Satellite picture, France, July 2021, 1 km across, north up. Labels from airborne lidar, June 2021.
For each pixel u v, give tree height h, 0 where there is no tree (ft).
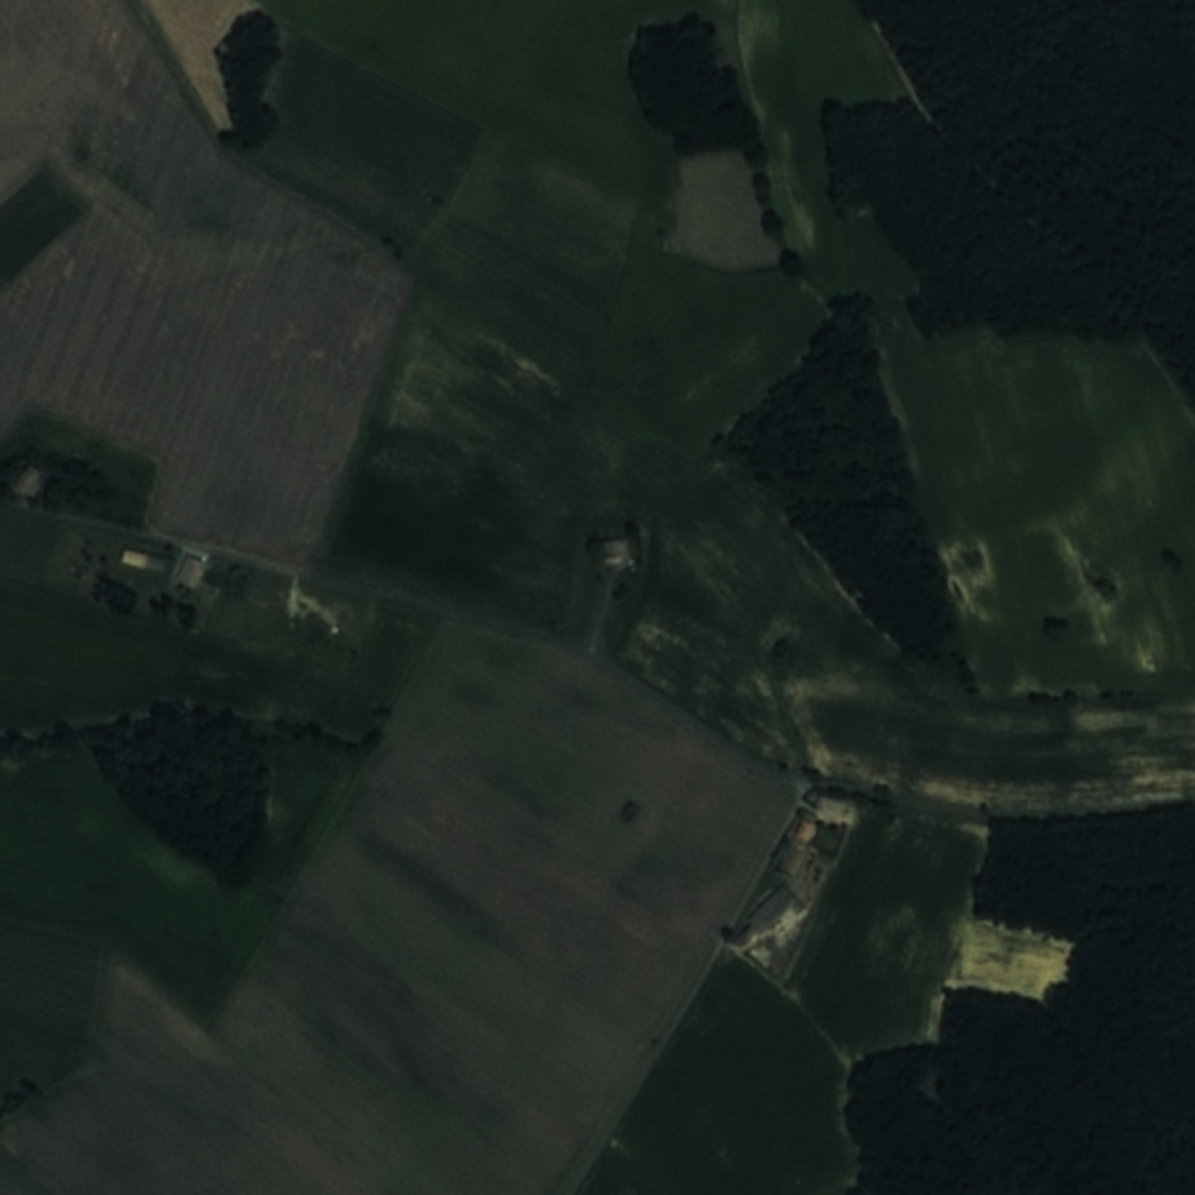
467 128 0
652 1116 0
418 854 0
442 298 0
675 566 0
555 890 0
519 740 0
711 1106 0
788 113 0
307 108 0
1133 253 37
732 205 0
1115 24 78
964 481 0
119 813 0
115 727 20
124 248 0
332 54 0
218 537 0
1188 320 55
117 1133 0
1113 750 0
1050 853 39
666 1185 0
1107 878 21
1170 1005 66
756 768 0
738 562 0
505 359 0
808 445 42
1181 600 0
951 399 0
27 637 0
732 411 0
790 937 0
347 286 0
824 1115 0
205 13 0
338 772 0
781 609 0
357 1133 0
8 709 0
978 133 53
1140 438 0
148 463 0
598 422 0
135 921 0
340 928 0
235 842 70
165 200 0
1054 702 20
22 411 0
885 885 0
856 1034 0
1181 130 43
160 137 0
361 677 0
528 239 0
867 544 71
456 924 0
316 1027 0
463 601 0
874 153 56
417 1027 0
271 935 0
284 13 0
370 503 0
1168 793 0
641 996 0
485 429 0
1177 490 0
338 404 0
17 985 0
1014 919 49
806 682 0
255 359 0
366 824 0
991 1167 53
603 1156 0
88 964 0
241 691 0
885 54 0
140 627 0
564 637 0
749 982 0
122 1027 0
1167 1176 75
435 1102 0
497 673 0
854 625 0
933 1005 0
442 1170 0
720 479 0
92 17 0
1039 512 0
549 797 0
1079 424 0
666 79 73
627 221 0
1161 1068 68
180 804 69
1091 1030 59
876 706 0
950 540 0
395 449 0
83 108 0
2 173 0
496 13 0
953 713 0
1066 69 49
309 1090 0
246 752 71
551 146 0
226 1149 0
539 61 0
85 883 0
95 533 0
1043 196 57
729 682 0
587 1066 0
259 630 0
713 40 72
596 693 0
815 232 0
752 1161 0
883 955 0
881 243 0
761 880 0
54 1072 0
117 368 0
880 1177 62
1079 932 54
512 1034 0
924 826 0
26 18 0
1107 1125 78
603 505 0
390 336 0
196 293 0
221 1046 0
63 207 0
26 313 0
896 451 61
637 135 0
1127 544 0
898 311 0
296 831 0
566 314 0
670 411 0
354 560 0
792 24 0
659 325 0
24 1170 0
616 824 0
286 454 0
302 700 0
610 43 0
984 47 71
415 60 0
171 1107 0
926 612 62
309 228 0
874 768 0
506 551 0
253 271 0
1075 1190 64
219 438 0
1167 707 0
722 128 69
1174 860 43
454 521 0
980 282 56
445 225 0
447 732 0
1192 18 84
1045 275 58
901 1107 66
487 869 0
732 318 0
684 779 0
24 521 0
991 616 0
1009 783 0
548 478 0
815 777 36
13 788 0
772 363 0
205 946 0
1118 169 70
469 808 0
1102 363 0
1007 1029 59
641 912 0
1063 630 51
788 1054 0
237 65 36
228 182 0
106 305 0
